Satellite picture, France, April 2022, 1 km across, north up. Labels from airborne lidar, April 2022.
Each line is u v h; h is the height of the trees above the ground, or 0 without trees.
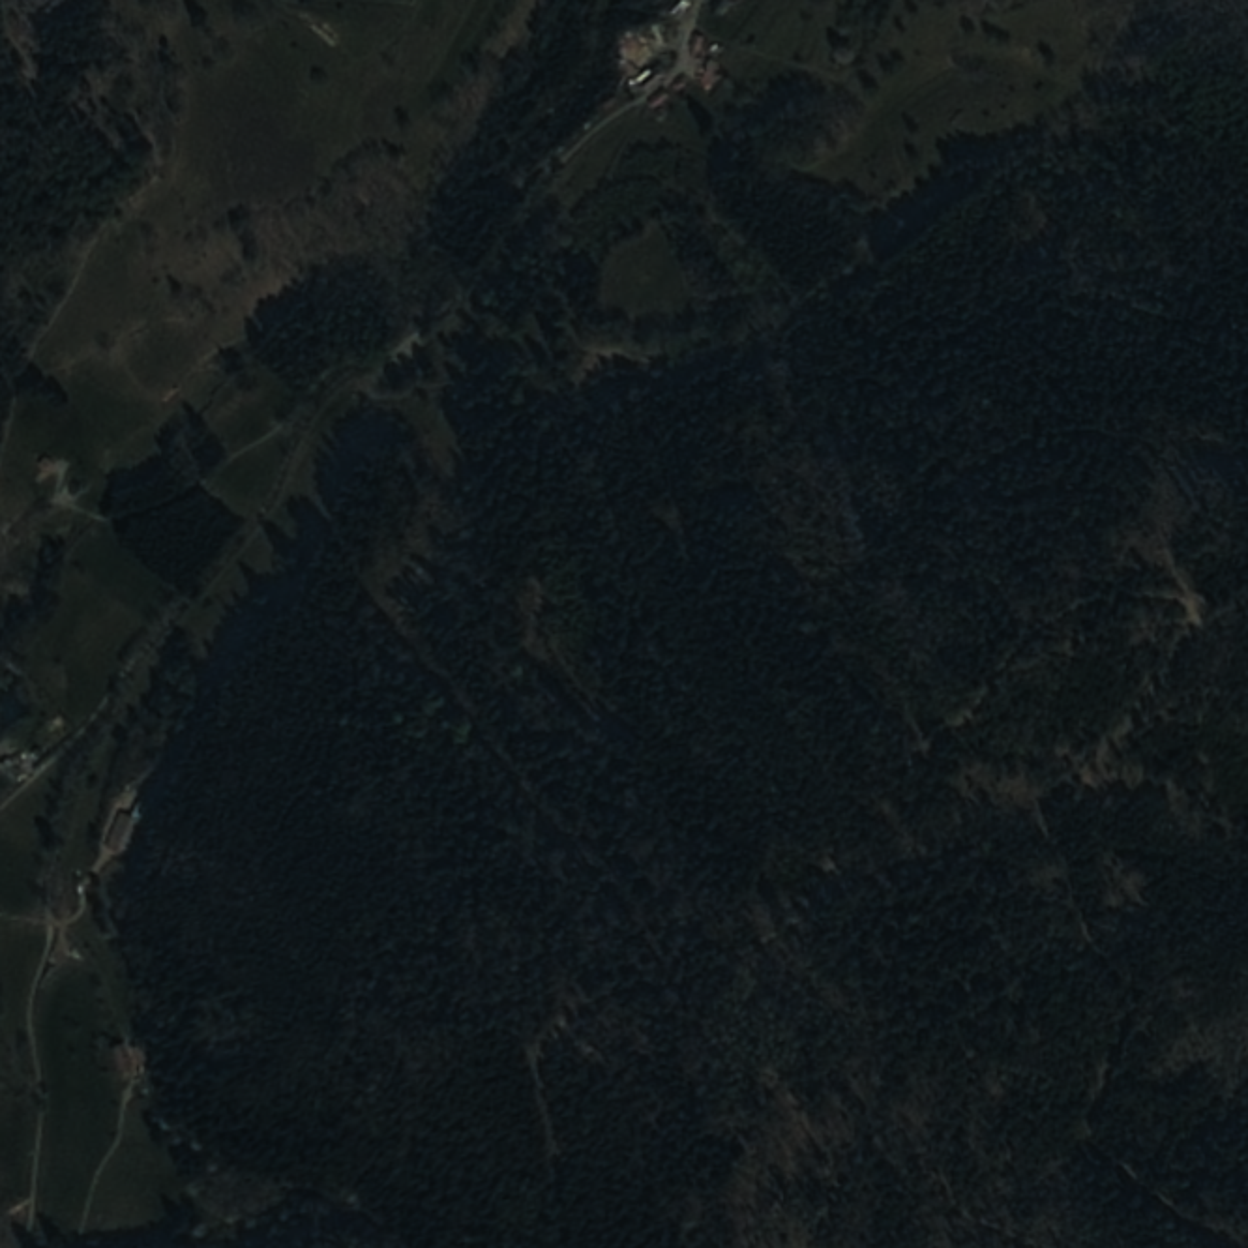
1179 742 10
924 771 26
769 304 23
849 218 22
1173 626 7
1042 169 27
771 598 27
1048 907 27
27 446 0
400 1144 20
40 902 19
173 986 20
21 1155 0
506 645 36
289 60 0
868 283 30
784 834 20
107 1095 0
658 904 31
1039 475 31
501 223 26
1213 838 26
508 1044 20
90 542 0
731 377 27
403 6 0
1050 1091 27
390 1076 21
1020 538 33
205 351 0
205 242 15
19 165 34
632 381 14
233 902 21
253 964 21
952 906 14
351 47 0
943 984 26
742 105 7
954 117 0
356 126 0
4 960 0
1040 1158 30
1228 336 33
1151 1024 20
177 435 20
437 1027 24
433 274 8
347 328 28
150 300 0
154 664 0
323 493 0
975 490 9
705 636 25
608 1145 21
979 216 22
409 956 29
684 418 30
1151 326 31
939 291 28
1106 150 27
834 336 27
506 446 25
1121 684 10
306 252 14
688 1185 24
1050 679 9
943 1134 26
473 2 0
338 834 28
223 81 0
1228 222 28
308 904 22
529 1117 25
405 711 29
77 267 12
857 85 0
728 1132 12
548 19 28
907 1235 41
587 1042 24
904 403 33
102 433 0
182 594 17
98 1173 0
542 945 27
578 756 32
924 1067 24
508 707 7
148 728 8
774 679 21
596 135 0
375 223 25
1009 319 27
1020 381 31
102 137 30
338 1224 35
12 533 7
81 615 0
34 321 23
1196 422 31
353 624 26
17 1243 0
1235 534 8
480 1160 24
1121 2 0
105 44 22
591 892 31
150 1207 0
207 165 0
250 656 28
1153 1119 23
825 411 31
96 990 13
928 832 23
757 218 29
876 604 11
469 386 14
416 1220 31
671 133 0
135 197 16
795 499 10
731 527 23
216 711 24
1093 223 29
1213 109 26
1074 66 0
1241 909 28
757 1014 24
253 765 26
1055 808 30
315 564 17
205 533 19
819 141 22
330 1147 32
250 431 0
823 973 23
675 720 26
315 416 8
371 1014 24
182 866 23
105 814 8
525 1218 25
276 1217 12
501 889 28
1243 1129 28
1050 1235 26
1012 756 18
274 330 35
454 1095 20
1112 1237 25
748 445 5
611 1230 25
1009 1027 28
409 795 35
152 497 16
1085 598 13
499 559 36
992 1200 27
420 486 34
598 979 14
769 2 0
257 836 21
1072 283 28
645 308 0
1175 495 0
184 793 25
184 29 0
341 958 23
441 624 38
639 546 24
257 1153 23
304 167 0
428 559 0
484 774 32
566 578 15
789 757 21
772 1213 21
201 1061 28
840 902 28
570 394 14
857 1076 23
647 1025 15
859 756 21
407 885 25
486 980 26
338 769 26
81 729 0
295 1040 16
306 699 25
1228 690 31
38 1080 13
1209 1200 25
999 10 7
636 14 9
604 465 27
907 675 10
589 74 7
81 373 0
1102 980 24
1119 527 31
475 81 19
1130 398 34
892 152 0
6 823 0
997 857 14
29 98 28
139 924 25
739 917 32
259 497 0
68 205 27
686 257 19
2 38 20
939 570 20
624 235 15
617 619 24
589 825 6
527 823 32
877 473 25
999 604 29
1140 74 27
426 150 0
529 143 7
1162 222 30
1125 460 33
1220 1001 21
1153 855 33
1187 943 25
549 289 18
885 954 23
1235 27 25
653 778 28
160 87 18
